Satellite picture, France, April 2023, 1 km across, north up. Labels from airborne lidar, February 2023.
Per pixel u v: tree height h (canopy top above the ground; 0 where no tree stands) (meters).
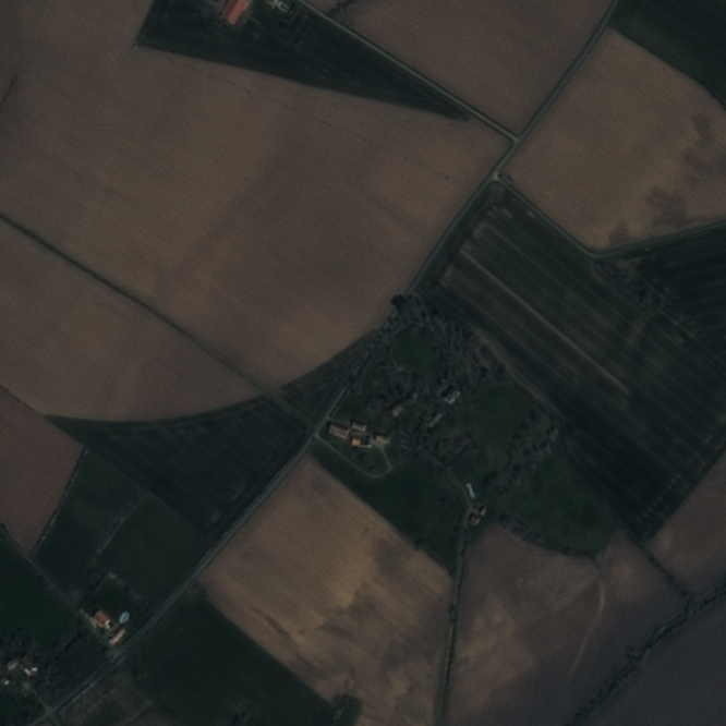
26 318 0
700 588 0
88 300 0
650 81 0
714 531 0
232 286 0
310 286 0
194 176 0
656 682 0
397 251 0
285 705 0
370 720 0
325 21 0
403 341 0
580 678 0
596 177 0
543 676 0
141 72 0
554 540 0
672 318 0
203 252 0
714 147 0
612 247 0
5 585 0
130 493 0
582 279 0
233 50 0
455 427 8
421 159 0
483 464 17
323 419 0
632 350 0
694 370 0
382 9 0
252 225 0
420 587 0
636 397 0
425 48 0
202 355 0
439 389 7
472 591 0
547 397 0
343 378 0
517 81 0
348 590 0
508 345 0
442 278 0
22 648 6
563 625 0
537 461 11
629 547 0
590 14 0
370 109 0
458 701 0
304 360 0
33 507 0
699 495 0
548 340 0
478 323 0
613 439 0
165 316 0
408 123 0
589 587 0
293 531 0
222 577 0
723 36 0
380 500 0
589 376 0
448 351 13
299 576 0
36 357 0
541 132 0
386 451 0
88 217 0
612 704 0
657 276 0
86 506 0
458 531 11
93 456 0
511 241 0
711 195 0
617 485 0
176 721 0
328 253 0
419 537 0
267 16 0
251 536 0
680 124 0
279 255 0
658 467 0
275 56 0
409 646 0
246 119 0
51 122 0
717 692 0
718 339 0
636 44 0
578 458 0
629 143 0
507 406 0
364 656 0
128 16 0
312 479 0
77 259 0
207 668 0
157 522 0
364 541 0
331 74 0
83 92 0
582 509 0
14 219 0
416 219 0
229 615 0
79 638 7
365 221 0
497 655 0
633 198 0
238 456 0
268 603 0
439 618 0
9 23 0
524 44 0
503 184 0
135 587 0
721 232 0
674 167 0
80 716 0
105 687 0
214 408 0
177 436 0
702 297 0
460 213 0
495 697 0
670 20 0
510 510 0
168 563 0
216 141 0
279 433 0
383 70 0
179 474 0
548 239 0
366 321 0
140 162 0
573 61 0
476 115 0
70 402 0
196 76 0
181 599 0
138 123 0
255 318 0
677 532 0
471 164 0
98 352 0
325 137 0
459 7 0
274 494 0
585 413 0
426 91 0
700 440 0
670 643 0
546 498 0
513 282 0
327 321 0
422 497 0
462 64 0
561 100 0
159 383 0
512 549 0
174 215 0
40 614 0
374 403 17
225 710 0
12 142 0
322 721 0
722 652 0
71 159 0
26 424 0
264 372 0
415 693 0
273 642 0
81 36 0
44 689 15
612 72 0
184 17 0
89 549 0
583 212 0
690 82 0
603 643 0
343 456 0
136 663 0
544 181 0
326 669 0
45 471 0
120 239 0
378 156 0
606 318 0
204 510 0
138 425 0
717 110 0
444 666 0
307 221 0
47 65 0
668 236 0
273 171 0
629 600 0
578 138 0
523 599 0
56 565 0
